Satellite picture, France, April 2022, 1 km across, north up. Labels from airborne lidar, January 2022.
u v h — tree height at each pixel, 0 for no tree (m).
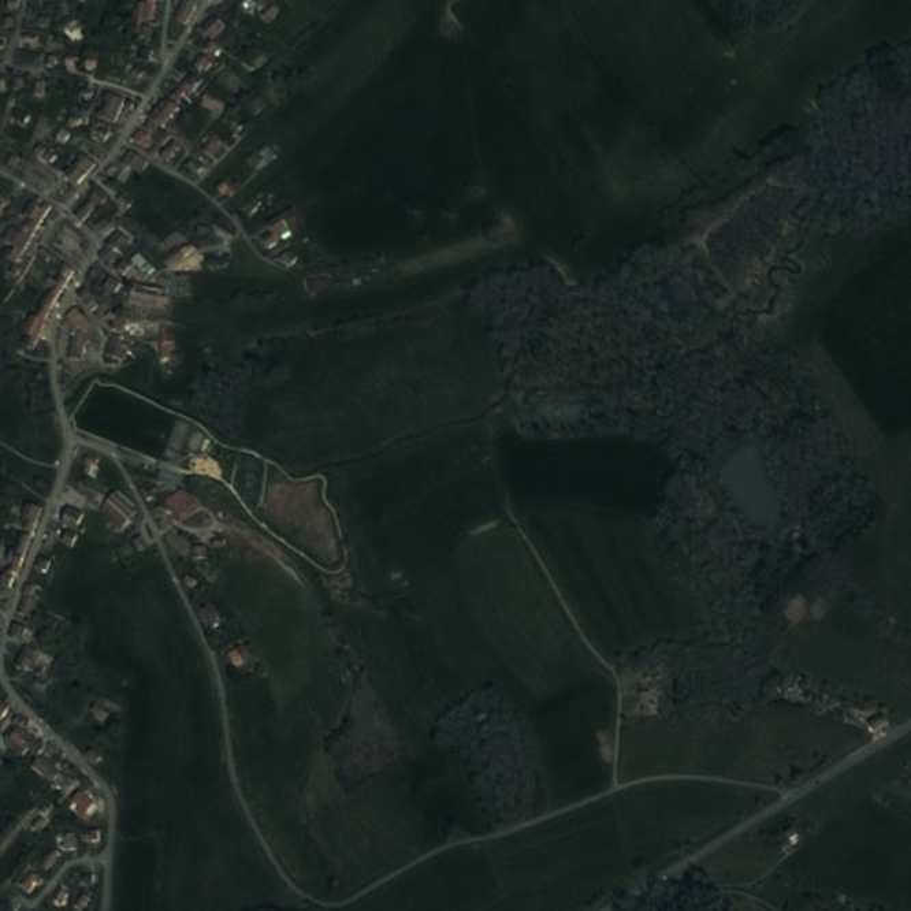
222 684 0
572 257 0
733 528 22
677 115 0
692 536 9
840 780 0
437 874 0
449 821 0
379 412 0
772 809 0
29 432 0
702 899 29
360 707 0
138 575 0
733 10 20
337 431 0
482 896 0
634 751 0
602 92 0
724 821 0
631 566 0
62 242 0
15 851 0
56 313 0
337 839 0
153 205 0
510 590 0
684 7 0
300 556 0
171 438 0
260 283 0
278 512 0
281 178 0
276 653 0
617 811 0
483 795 9
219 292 0
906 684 0
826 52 0
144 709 0
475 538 0
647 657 7
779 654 0
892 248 0
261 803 0
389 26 0
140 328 0
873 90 16
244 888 0
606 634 0
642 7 0
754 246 0
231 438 22
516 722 7
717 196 0
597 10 0
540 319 0
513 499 0
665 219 10
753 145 0
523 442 0
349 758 0
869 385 0
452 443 0
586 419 11
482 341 0
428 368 0
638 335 20
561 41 0
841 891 0
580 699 0
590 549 0
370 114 0
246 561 0
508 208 0
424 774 0
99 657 0
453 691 0
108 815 0
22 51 0
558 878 0
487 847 0
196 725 0
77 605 0
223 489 6
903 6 0
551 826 0
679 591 8
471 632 0
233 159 0
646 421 19
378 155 0
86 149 0
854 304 0
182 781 0
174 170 0
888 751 0
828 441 23
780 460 27
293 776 0
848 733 0
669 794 0
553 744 0
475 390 0
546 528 0
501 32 0
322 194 0
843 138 20
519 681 0
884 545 0
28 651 0
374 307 0
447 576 0
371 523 0
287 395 0
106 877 0
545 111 0
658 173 0
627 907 23
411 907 0
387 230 0
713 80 0
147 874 0
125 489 0
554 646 0
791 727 0
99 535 0
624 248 0
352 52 0
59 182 0
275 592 0
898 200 22
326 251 0
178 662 0
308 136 0
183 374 0
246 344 0
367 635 0
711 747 0
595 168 0
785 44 0
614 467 0
